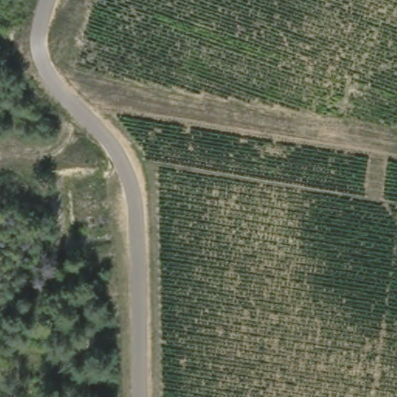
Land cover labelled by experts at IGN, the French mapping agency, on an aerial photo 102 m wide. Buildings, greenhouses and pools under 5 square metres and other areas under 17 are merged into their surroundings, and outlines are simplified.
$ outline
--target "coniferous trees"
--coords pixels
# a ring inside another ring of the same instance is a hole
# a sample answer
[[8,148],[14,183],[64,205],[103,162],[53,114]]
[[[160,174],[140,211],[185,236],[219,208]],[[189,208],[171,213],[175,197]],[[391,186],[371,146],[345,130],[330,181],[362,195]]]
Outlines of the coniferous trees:
[[40,138],[48,140],[59,133],[62,124],[70,123],[71,118],[70,113],[59,102],[51,99],[37,81],[33,76],[26,76],[25,70],[29,62],[23,59],[16,43],[0,36],[0,136],[5,136],[6,130],[12,127],[25,130],[28,135],[36,133]]
[[99,276],[99,273],[112,270],[112,259],[99,259],[98,253],[91,248],[90,240],[81,233],[82,228],[87,225],[85,222],[73,222],[68,228],[68,234],[60,233],[57,222],[60,203],[56,188],[57,167],[53,157],[43,157],[36,163],[19,158],[14,161],[2,160],[0,169],[0,347],[6,349],[6,343],[11,340],[22,340],[23,343],[33,341],[36,346],[42,347],[40,368],[45,372],[43,383],[47,388],[43,397],[118,397],[123,383],[121,349],[116,340],[119,327],[113,327],[115,306],[107,288],[109,284]]

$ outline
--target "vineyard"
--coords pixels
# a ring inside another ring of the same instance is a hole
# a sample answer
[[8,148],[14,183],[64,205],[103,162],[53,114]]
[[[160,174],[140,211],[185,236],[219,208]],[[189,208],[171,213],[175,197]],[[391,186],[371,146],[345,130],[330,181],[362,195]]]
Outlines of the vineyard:
[[397,397],[397,0],[98,0],[93,6],[90,22],[85,31],[85,39],[95,42],[95,48],[85,48],[79,54],[79,57],[87,57],[88,54],[96,53],[96,57],[91,62],[78,64],[78,68],[91,68],[96,74],[112,71],[113,78],[116,79],[150,81],[166,87],[175,85],[192,93],[205,91],[222,98],[233,96],[247,102],[257,98],[268,105],[278,104],[287,109],[309,110],[319,115],[341,118],[346,132],[349,133],[350,143],[364,143],[389,152],[385,181],[386,200],[381,205],[380,202],[364,198],[364,174],[368,155],[361,152],[344,152],[310,144],[274,141],[271,138],[240,135],[197,126],[192,127],[191,132],[185,133],[183,124],[177,121],[161,121],[129,113],[118,115],[129,136],[144,147],[146,160],[157,161],[160,166],[163,397]]

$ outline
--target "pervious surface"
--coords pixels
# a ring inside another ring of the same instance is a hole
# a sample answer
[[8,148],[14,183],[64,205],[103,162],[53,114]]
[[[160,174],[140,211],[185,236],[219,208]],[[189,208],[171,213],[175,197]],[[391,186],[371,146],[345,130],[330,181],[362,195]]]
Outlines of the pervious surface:
[[123,236],[129,233],[129,205],[127,195],[121,192],[118,194],[119,203],[115,214],[118,216],[119,231]]
[[116,129],[109,119],[105,119],[98,109],[90,105],[88,109],[91,113],[101,119],[105,129],[115,136],[126,152],[127,160],[140,186],[144,226],[149,230],[146,181],[140,161],[130,146],[129,136]]

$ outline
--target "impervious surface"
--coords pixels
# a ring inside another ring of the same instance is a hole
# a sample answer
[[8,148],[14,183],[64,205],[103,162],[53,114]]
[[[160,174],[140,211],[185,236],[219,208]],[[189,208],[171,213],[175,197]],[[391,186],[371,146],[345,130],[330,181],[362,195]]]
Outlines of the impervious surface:
[[127,195],[129,205],[129,233],[123,236],[126,248],[124,264],[129,270],[129,350],[132,385],[130,397],[152,397],[154,389],[150,329],[152,315],[149,230],[144,226],[140,186],[127,160],[126,152],[115,136],[105,129],[101,119],[91,113],[88,109],[90,105],[78,95],[78,82],[68,85],[59,68],[51,62],[48,33],[56,17],[60,0],[39,0],[29,36],[31,56],[39,71],[37,81],[51,99],[59,102],[70,113],[71,118],[76,119],[76,123],[95,138],[105,157],[113,161],[121,192]]

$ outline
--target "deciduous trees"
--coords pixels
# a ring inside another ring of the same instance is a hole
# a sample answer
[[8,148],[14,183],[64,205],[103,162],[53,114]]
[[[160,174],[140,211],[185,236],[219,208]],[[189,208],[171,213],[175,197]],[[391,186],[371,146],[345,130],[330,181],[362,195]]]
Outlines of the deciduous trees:
[[23,343],[22,340],[11,340],[6,343],[6,349],[0,347],[0,397],[43,397],[47,388],[43,383],[45,372],[40,368],[42,347],[36,346],[33,341]]

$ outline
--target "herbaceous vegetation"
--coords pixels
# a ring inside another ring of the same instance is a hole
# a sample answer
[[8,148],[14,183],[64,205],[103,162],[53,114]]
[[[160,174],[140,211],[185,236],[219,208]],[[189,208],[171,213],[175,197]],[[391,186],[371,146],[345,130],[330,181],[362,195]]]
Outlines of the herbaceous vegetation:
[[191,132],[192,127],[197,126],[240,135],[271,138],[274,141],[310,144],[344,152],[361,152],[368,155],[364,174],[364,198],[380,202],[381,205],[386,200],[385,181],[389,152],[364,143],[350,143],[349,133],[346,132],[341,118],[319,115],[309,110],[287,109],[278,104],[268,105],[257,98],[247,102],[233,96],[222,98],[205,91],[192,93],[175,85],[166,87],[150,81],[116,79],[113,78],[112,71],[96,74],[91,68],[78,68],[78,64],[91,62],[96,57],[96,53],[88,54],[87,57],[79,57],[79,54],[85,48],[95,48],[95,42],[85,39],[85,31],[90,22],[93,6],[98,0],[60,0],[56,17],[48,33],[51,62],[59,68],[68,85],[78,82],[78,95],[90,105],[98,109],[105,119],[109,119],[116,129],[129,136],[118,115],[129,113],[161,121],[177,121],[183,124],[185,133]]
[[39,71],[31,56],[29,36],[39,0],[0,0],[0,36],[16,43],[23,59],[29,62],[25,70],[26,76],[33,76],[37,81]]
[[152,397],[163,397],[160,166],[157,161],[146,160],[144,147],[129,136],[130,146],[140,161],[146,181],[149,230],[152,315],[150,329],[154,389]]
[[99,276],[109,284],[107,288],[115,306],[113,327],[119,327],[116,340],[121,349],[123,383],[118,397],[130,397],[132,385],[129,350],[129,270],[124,264],[126,248],[123,236],[119,231],[118,216],[115,214],[119,203],[118,194],[121,192],[113,161],[105,157],[95,138],[76,123],[76,119],[71,118],[70,123],[62,124],[59,133],[48,140],[40,138],[36,133],[28,135],[25,130],[12,127],[6,130],[5,136],[0,136],[0,169],[2,160],[14,161],[19,158],[36,163],[43,157],[53,157],[57,167],[56,188],[60,203],[57,222],[60,233],[68,234],[68,228],[73,222],[85,222],[87,225],[82,228],[81,233],[90,240],[91,248],[98,253],[99,259],[112,259],[112,270],[99,273]]

